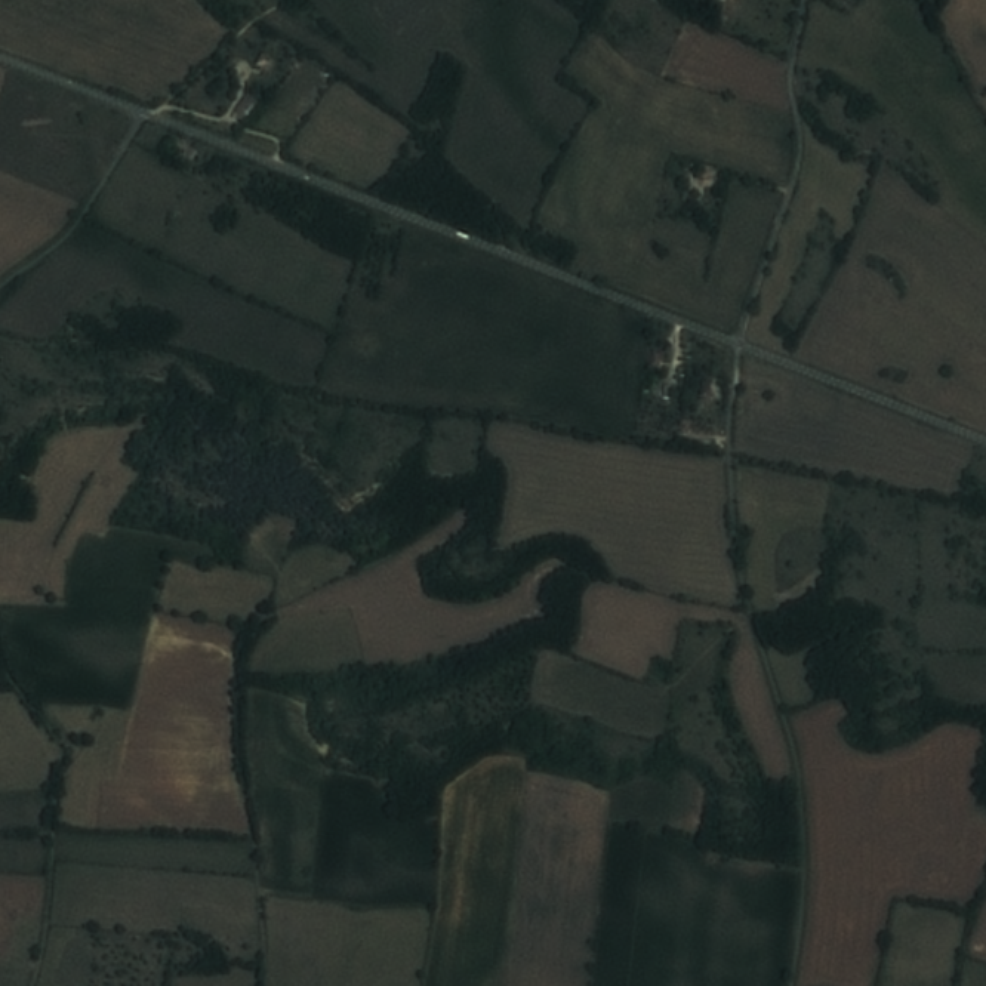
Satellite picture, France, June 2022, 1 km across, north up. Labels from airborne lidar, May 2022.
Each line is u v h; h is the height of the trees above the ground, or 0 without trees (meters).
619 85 0
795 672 0
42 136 0
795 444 0
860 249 0
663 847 0
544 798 0
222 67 6
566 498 0
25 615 0
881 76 0
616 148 0
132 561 0
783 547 0
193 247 0
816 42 0
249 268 0
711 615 0
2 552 0
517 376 0
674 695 0
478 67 0
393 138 0
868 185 8
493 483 11
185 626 0
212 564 9
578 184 0
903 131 0
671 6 8
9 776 0
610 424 0
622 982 0
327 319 0
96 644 0
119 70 0
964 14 0
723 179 9
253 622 14
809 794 0
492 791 0
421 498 14
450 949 0
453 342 0
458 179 11
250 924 0
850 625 9
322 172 7
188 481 8
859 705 13
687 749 0
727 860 8
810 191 0
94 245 0
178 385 8
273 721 0
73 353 8
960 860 0
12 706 0
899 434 0
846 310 0
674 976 0
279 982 0
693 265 0
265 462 14
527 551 9
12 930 0
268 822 0
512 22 0
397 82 0
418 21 0
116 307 8
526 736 9
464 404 0
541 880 0
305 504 15
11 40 0
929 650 7
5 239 0
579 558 12
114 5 0
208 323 0
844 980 0
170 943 8
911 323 0
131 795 0
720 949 0
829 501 0
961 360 0
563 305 0
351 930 0
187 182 0
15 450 5
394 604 0
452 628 0
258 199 8
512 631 16
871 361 0
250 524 13
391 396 0
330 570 0
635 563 0
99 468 0
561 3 10
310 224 7
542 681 0
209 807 0
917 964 0
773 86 0
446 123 7
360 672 6
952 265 0
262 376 10
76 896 0
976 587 6
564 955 0
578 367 0
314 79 0
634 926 0
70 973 0
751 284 0
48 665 0
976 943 0
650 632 0
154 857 0
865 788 0
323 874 0
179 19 0
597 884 0
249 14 7
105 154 0
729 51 0
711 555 0
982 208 0
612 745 0
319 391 6
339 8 0
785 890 0
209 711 0
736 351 0
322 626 0
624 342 0
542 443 0
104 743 0
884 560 0
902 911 0
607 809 0
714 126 0
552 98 0
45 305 0
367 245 11
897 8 0
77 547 0
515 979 0
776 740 0
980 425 0
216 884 0
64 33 0
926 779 0
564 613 13
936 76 0
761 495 0
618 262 0
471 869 0
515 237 6
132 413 12
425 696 9
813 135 7
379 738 10
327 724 6
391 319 0
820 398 0
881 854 0
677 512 0
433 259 0
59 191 0
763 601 0
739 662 0
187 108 6
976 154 0
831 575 9
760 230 0
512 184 0
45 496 0
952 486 0
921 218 0
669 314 0
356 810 0
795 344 11
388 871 0
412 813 12
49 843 11
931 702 9
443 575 6
